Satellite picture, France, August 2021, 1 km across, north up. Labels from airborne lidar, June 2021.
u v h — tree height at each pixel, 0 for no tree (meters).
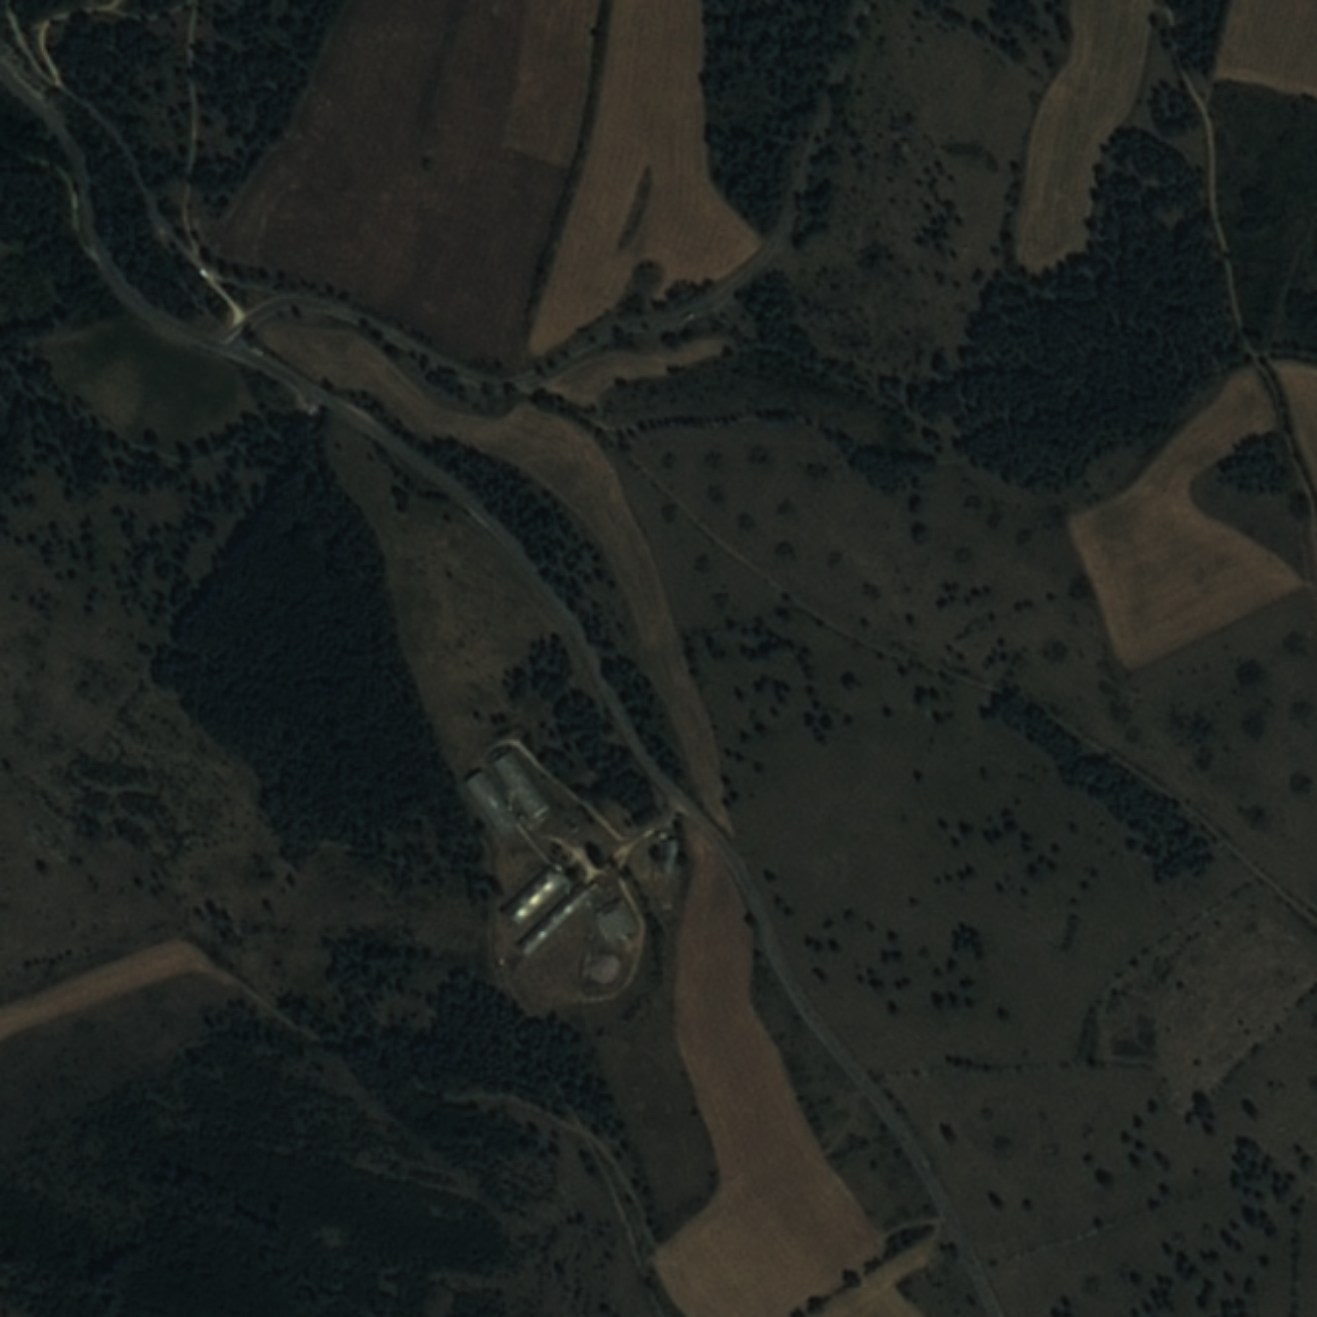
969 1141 0
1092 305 14
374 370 0
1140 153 14
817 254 0
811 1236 0
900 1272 0
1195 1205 0
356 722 19
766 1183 0
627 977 0
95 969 0
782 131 11
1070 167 0
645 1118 0
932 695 8
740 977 0
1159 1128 0
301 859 18
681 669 0
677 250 0
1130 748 0
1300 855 0
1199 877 9
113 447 14
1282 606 0
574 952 0
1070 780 11
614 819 0
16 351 13
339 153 0
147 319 0
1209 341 17
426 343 6
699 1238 0
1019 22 14
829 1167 0
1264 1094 0
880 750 0
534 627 0
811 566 0
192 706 18
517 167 0
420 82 0
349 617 18
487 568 0
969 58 0
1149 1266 0
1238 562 0
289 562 17
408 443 12
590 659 0
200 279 14
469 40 0
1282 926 0
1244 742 0
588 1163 9
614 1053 0
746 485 0
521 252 0
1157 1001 0
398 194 0
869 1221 0
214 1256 7
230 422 0
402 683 17
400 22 0
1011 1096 0
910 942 0
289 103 11
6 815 0
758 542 0
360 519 16
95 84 17
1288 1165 0
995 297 15
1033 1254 0
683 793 0
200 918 13
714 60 9
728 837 0
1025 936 0
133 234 16
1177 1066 0
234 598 18
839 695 0
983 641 0
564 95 0
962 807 0
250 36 12
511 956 0
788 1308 0
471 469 14
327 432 12
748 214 7
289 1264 16
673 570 0
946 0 8
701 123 0
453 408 0
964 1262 0
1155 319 15
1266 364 11
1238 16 0
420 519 0
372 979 13
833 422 0
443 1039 11
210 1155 7
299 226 0
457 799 12
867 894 0
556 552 11
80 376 0
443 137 0
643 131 0
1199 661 0
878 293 0
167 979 0
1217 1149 0
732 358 11
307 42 13
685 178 0
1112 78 0
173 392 0
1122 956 0
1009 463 11
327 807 15
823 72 14
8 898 0
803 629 0
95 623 0
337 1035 11
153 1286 6
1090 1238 0
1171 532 0
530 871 0
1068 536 0
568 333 0
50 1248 6
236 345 0
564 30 0
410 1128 7
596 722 11
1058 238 0
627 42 0
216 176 13
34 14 8
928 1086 0
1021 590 0
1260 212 7
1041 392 16
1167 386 14
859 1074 0
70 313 14
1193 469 0
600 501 0
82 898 0
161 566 8
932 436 11
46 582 0
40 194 9
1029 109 0
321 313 0
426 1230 6
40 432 9
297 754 17
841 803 0
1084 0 0
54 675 0
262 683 19
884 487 9
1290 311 6
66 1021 0
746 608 0
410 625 0
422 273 0
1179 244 15
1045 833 0
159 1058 0
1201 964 0
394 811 16
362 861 8
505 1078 11
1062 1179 0
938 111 0
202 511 8
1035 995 0
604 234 0
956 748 0
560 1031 9
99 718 0
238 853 0
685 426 9
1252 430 0
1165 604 0
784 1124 0
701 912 0
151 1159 6
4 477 10
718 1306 0
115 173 9
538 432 0
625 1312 0
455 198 0
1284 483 13
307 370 0
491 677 0
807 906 0
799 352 15
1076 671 0
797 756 0
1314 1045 0
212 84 12
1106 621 0
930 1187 0
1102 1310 0
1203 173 9
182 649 13
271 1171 7
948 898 0
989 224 0
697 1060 0
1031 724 14
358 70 0
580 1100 9
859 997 0
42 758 0
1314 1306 0
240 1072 6
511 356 0
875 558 0
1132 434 13
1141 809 13
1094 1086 0
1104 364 16
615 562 0
